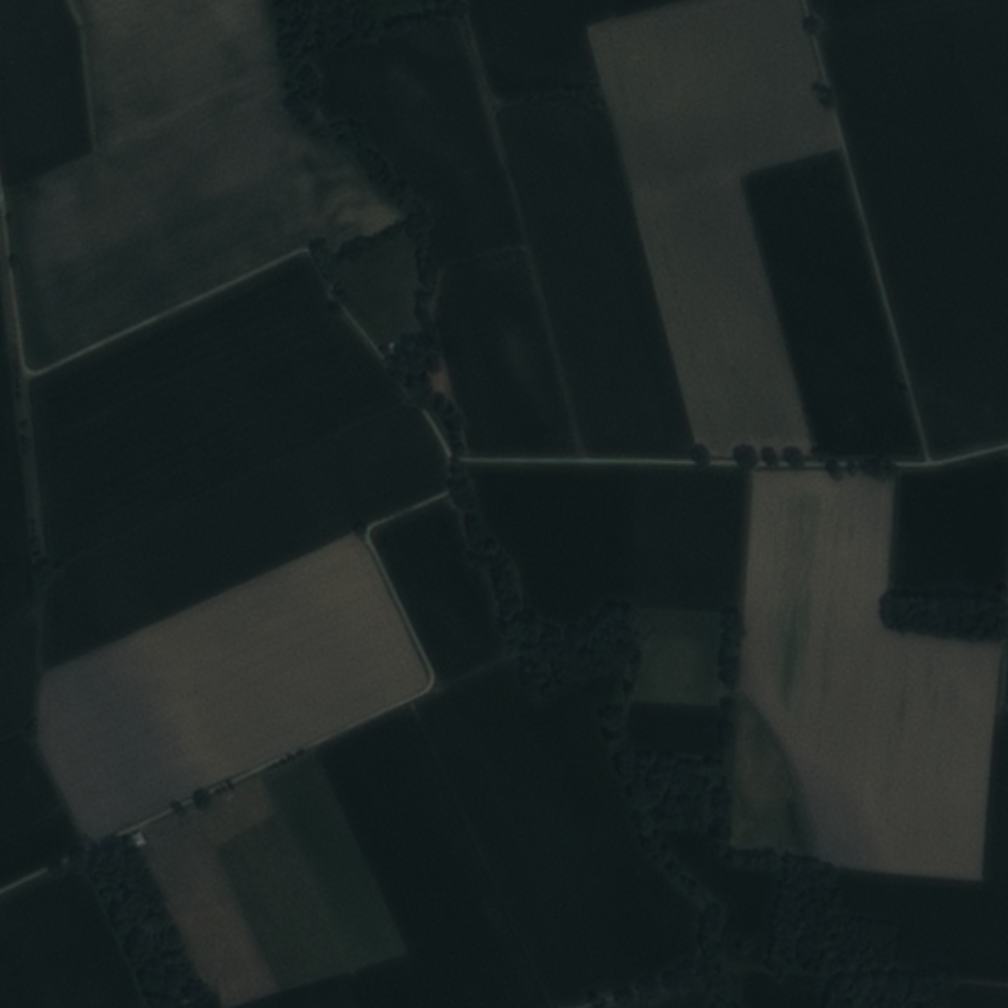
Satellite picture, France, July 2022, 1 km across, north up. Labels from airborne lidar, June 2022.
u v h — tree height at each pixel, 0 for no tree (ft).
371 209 0
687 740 0
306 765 0
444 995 0
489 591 0
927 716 0
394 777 0
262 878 0
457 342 0
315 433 0
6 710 0
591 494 0
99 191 0
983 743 0
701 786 52
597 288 0
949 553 0
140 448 0
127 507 0
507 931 0
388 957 0
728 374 0
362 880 0
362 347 0
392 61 0
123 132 0
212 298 0
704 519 0
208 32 0
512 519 0
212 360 0
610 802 0
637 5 0
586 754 0
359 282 0
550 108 0
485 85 0
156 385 0
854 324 0
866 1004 68
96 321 0
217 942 0
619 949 0
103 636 0
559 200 0
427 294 18
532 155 0
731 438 0
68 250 0
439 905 0
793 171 0
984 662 0
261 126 0
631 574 0
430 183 0
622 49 0
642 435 0
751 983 0
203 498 0
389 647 0
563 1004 0
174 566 0
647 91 0
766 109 0
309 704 0
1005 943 0
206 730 0
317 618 0
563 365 0
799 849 0
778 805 0
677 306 0
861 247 0
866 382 0
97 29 0
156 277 0
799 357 0
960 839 0
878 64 0
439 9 21
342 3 28
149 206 0
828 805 0
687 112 0
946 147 0
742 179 0
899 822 0
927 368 0
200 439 0
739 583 0
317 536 0
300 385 0
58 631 0
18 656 0
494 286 0
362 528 31
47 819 0
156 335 0
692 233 0
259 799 0
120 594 0
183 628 0
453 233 0
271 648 0
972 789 0
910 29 0
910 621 36
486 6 0
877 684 0
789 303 0
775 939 50
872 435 0
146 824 0
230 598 0
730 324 0
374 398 0
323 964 0
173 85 0
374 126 0
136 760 0
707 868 0
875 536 0
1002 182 0
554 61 0
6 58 0
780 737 0
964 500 0
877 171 0
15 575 0
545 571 0
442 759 0
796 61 0
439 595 0
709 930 68
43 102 0
